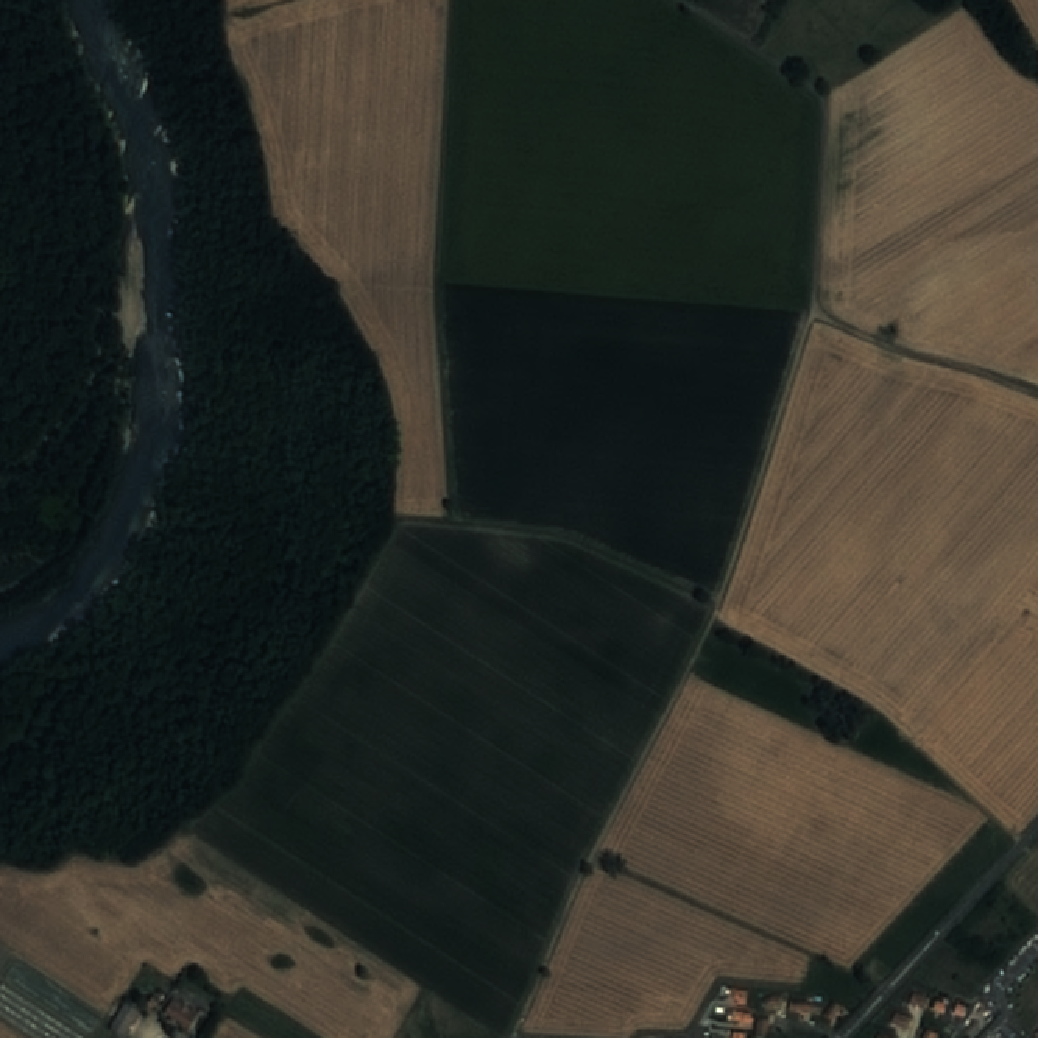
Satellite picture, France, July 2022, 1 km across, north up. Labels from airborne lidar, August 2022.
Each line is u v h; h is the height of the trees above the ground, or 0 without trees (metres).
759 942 0
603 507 0
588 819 0
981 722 0
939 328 0
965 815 0
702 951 0
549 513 0
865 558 0
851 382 0
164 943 0
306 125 0
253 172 20
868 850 0
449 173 0
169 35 12
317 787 0
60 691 18
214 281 17
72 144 22
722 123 0
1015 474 0
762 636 0
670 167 0
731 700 0
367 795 0
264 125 0
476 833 0
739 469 0
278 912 0
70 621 0
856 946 0
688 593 0
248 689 17
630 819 0
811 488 0
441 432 0
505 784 0
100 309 23
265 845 0
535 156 0
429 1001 0
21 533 20
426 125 0
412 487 0
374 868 0
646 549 0
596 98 0
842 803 0
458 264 0
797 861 0
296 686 10
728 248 0
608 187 0
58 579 22
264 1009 0
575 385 0
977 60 0
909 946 0
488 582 0
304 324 18
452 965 0
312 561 22
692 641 0
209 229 20
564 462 0
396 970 0
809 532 0
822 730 16
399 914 0
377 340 0
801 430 0
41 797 23
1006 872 0
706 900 0
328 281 12
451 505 9
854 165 0
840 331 0
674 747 0
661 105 0
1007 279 0
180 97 20
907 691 0
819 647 0
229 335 21
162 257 0
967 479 0
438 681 0
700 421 0
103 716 25
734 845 0
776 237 0
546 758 0
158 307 0
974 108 0
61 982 0
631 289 0
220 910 0
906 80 0
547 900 0
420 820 0
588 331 0
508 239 0
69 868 0
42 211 18
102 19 0
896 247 0
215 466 21
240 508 14
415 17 0
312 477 25
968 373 0
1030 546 0
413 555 0
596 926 0
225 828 0
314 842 0
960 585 0
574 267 0
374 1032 0
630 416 0
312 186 0
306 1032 0
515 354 0
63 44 15
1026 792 0
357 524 23
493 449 0
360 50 0
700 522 0
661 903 0
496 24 0
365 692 0
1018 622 0
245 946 0
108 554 0
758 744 0
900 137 0
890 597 0
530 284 0
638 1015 0
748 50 0
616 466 0
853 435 0
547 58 0
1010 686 0
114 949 0
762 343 0
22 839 18
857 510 0
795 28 0
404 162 0
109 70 0
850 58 0
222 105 21
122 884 0
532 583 0
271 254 21
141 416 0
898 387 0
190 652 22
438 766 0
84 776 23
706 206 0
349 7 0
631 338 0
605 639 0
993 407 0
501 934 0
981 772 0
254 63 0
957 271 0
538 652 0
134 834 12
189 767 16
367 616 0
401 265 0
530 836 0
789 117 0
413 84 0
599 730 0
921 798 0
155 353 0
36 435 15
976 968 0
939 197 0
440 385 0
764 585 0
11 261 10
